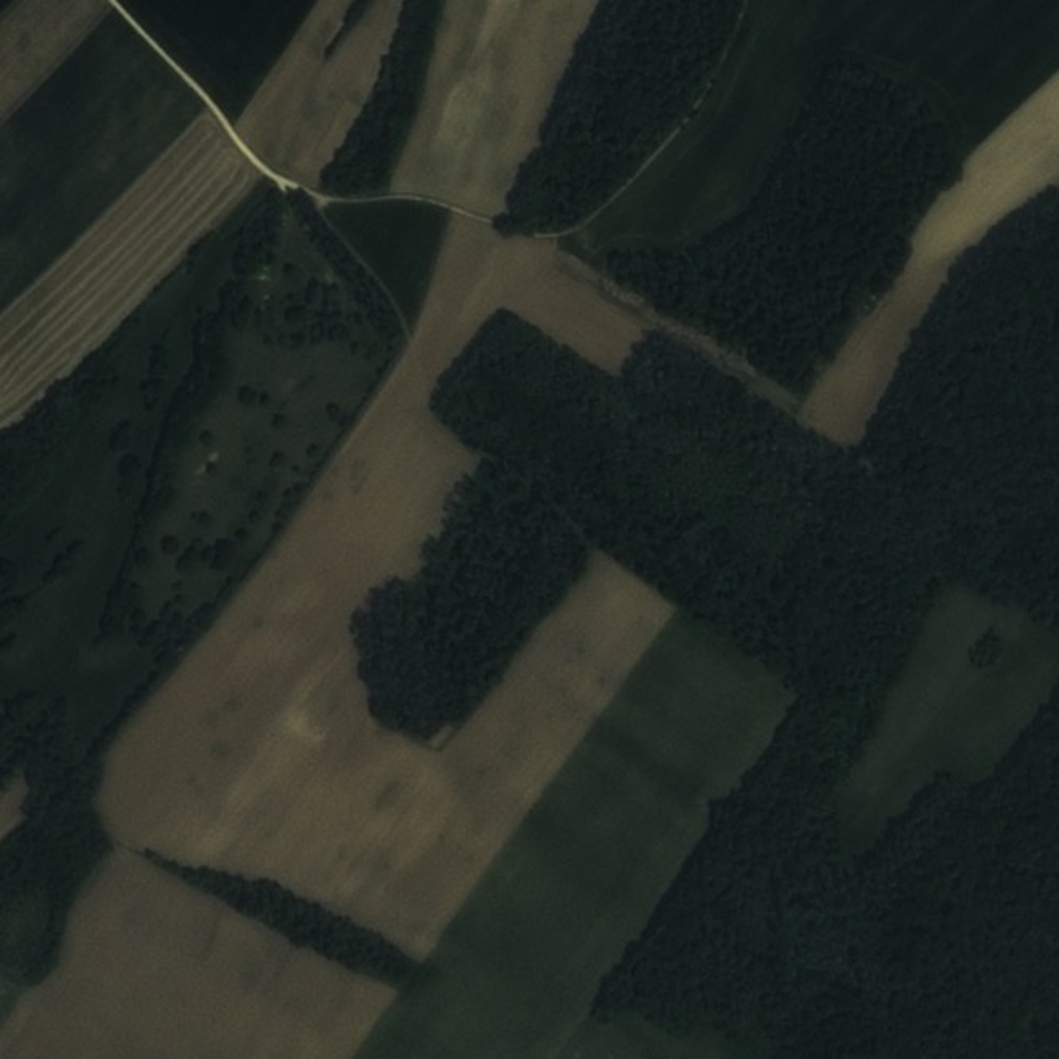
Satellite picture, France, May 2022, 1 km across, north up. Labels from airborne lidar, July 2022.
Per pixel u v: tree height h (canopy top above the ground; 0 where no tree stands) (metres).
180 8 0
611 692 0
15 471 20
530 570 26
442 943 0
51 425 22
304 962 0
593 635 0
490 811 0
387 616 25
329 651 0
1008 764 14
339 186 13
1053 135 0
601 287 0
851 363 0
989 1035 18
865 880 29
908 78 0
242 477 0
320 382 0
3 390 0
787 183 22
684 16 21
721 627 20
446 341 0
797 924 31
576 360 19
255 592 0
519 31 0
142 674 0
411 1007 0
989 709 0
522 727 0
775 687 0
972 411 21
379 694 21
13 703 13
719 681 0
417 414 0
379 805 0
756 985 27
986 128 0
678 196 0
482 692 15
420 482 0
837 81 21
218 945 0
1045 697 0
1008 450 21
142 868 0
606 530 27
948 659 0
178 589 7
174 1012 0
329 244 11
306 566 0
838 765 16
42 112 0
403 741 0
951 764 0
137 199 0
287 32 0
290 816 0
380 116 10
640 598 0
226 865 0
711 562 23
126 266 0
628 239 0
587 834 0
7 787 15
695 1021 17
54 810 28
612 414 25
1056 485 23
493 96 0
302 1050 0
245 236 8
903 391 18
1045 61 0
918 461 33
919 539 27
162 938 0
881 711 11
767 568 23
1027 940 21
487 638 25
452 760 0
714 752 0
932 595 16
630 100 20
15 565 14
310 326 7
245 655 0
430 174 0
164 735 0
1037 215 25
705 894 22
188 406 21
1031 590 24
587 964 0
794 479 27
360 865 0
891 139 19
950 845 24
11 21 0
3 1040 0
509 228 16
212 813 0
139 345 0
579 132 23
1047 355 21
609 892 0
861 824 0
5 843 6
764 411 25
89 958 0
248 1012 0
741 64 0
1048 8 0
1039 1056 13
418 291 0
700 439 26
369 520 0
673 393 30
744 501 25
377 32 0
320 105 0
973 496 26
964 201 0
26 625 0
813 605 28
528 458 28
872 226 20
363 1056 0
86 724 0
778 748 11
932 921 20
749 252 10
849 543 22
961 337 20
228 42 0
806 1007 26
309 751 0
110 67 0
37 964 8
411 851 0
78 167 0
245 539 10
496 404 12
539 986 0
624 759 0
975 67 0
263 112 0
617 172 18
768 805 23
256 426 0
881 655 18
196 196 0
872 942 26
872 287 22
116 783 0
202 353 23
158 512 12
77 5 0
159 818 0
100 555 0
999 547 22
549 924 0
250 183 0
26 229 0
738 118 0
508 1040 0
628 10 23
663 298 22
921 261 0
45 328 0
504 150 0
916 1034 15
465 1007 0
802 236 25
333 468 0
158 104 0
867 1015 24
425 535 0
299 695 0
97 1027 0
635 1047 0
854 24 0
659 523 9
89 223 0
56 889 11
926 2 0
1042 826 22
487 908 0
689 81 19
